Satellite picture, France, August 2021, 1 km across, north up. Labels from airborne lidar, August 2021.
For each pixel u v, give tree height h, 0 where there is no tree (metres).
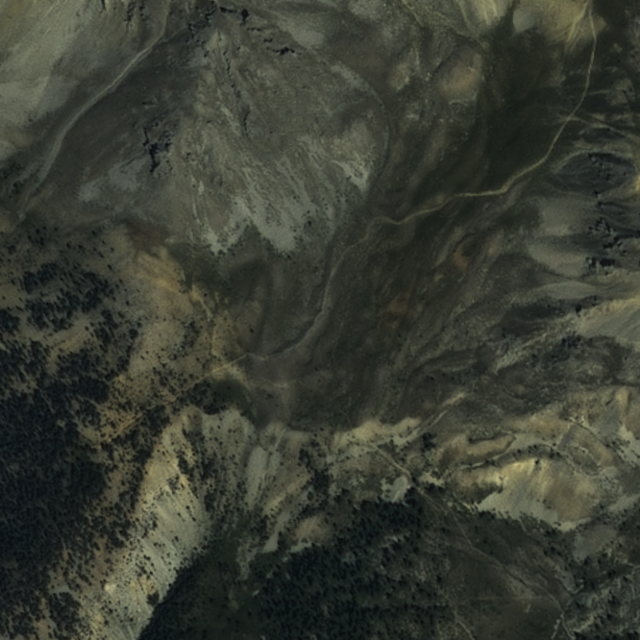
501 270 0
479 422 0
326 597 8
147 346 0
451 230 0
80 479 10
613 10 0
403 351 0
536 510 0
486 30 0
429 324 0
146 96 0
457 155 0
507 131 0
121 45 0
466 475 0
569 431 0
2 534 12
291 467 0
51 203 0
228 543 0
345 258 0
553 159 0
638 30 0
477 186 0
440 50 0
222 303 0
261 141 0
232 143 0
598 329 0
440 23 0
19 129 0
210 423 0
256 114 0
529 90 0
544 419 0
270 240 0
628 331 0
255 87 0
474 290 0
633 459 0
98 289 8
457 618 0
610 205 0
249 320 0
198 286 0
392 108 0
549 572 0
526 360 0
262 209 0
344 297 0
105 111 0
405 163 0
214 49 0
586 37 0
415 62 0
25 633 8
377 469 0
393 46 0
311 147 0
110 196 0
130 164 0
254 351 0
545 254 0
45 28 0
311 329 0
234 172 0
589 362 0
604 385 0
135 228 0
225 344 0
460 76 0
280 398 0
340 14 0
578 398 0
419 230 0
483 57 0
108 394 8
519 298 0
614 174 0
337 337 0
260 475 0
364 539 10
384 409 0
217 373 0
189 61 0
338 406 0
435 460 0
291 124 0
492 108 0
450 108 0
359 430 0
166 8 0
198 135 0
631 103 0
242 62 0
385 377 0
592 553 0
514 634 0
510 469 0
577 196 0
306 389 0
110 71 0
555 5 0
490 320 0
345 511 0
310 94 0
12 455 10
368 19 0
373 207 0
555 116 0
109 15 0
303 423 0
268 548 0
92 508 7
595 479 0
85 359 8
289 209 0
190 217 0
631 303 0
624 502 0
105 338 6
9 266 0
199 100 0
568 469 0
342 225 0
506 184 0
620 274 0
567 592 0
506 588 0
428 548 0
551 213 0
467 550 0
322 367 0
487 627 0
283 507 0
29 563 16
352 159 0
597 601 0
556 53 0
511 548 0
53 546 10
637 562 0
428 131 0
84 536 8
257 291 0
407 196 0
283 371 0
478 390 0
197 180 0
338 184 0
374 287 0
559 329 0
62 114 0
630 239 0
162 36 0
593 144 0
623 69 0
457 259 0
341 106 0
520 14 0
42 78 0
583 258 0
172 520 0
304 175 0
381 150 0
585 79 0
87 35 0
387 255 0
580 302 0
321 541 0
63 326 8
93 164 0
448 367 0
